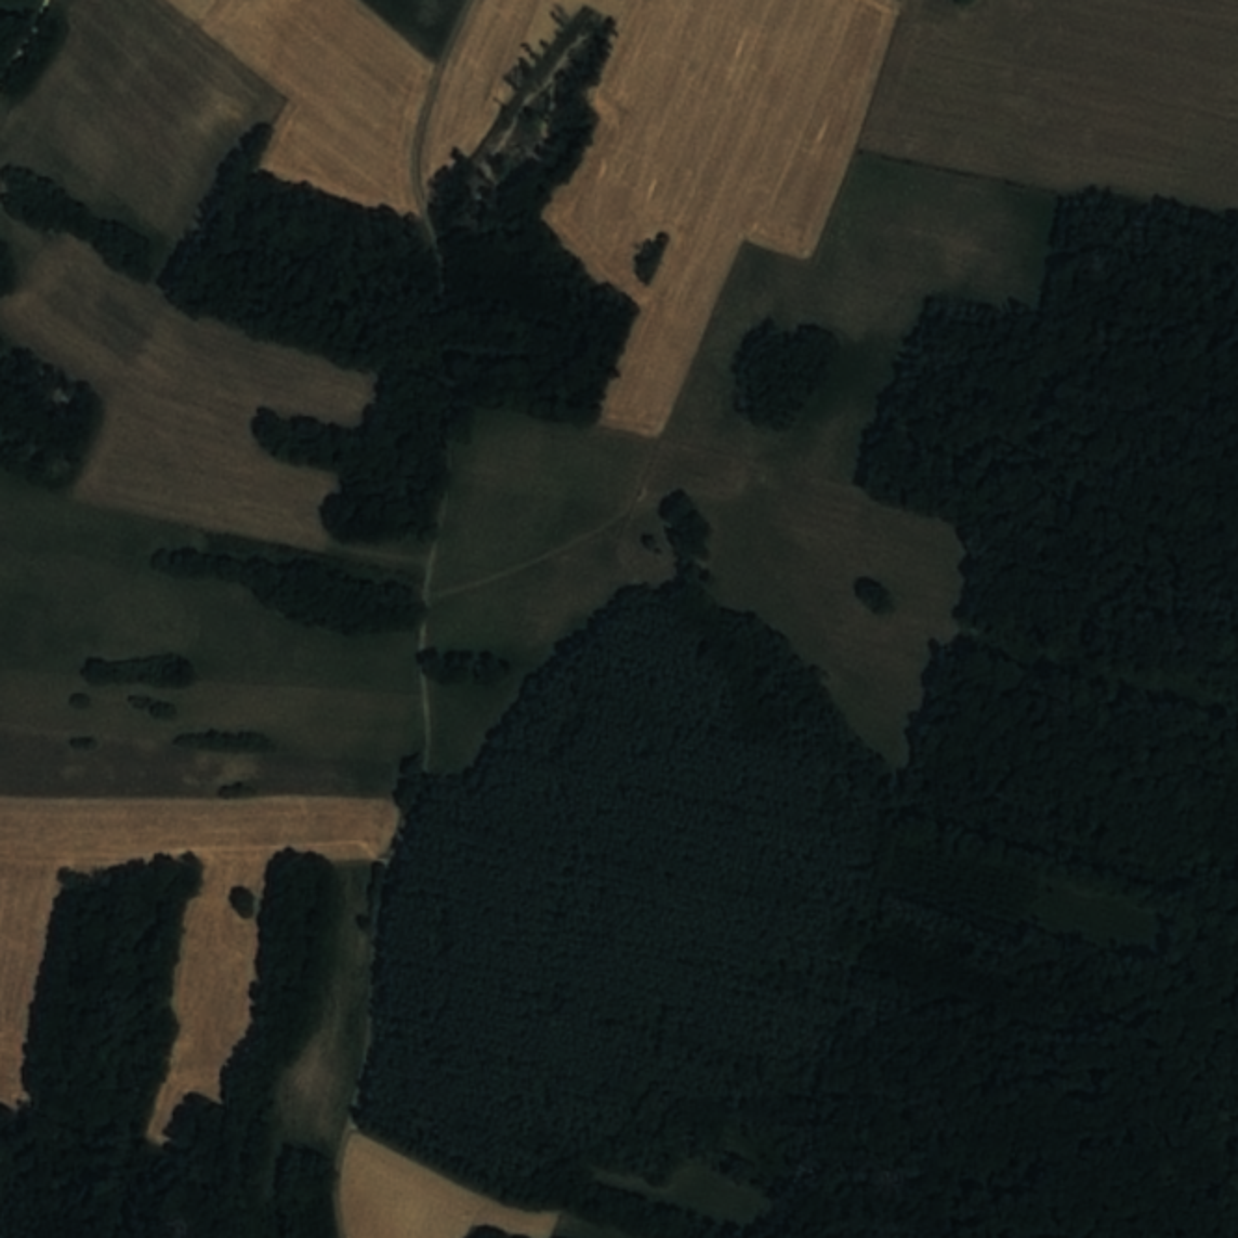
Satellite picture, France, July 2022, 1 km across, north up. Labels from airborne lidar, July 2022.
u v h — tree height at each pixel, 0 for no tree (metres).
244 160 17
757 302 0
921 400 26
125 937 25
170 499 0
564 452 0
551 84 0
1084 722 25
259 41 0
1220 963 29
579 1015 20
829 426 0
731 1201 0
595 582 0
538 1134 12
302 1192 24
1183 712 29
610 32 7
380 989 6
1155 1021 29
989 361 26
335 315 22
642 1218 21
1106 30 0
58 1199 29
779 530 0
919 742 22
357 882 0
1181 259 22
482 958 22
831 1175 29
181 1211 31
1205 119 0
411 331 23
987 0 0
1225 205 0
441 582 0
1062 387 31
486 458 0
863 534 0
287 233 28
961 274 0
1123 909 0
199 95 0
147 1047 20
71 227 21
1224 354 28
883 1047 26
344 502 18
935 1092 29
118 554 0
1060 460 28
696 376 0
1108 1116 31
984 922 10
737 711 21
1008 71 0
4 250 16
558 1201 20
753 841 21
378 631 17
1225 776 21
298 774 0
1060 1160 31
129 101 0
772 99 0
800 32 0
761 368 23
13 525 0
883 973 12
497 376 27
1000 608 24
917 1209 24
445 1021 20
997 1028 20
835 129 0
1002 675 35
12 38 22
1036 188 0
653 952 18
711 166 0
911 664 0
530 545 0
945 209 0
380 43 0
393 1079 21
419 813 12
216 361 0
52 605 0
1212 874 28
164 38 0
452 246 16
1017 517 25
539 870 21
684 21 0
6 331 0
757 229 0
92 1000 16
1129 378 30
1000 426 30
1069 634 27
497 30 0
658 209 0
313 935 20
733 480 0
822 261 0
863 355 0
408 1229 0
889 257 0
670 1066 19
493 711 0
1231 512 26
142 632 0
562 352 26
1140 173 0
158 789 0
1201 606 22
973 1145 29
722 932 16
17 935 0
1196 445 30
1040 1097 34
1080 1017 11
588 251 0
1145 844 26
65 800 0
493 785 19
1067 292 13
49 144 0
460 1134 23
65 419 23
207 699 0
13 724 0
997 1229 21
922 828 29
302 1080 0
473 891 21
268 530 0
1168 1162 31
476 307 23
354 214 26
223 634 0
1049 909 0
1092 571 20
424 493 21
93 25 0
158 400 0
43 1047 26
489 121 0
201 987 0
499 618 0
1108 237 19
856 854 24
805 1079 21
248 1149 16
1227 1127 32
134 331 0
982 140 0
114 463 0
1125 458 24
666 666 22
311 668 0
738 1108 23
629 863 18
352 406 0
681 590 19
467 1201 0
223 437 0
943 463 26
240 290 21
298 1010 23
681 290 0
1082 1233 24
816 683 12
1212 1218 30
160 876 21
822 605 0
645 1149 19
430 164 0
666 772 20
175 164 0
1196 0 0
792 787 22
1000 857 25
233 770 0
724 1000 19
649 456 0
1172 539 26
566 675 21
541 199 24
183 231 0
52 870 0
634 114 0
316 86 0
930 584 0
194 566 21
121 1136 31
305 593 24
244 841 0
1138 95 0
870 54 0
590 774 20
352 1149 0
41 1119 25
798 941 17
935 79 0
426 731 0
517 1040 21
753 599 0
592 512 0
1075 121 0
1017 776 27
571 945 20
